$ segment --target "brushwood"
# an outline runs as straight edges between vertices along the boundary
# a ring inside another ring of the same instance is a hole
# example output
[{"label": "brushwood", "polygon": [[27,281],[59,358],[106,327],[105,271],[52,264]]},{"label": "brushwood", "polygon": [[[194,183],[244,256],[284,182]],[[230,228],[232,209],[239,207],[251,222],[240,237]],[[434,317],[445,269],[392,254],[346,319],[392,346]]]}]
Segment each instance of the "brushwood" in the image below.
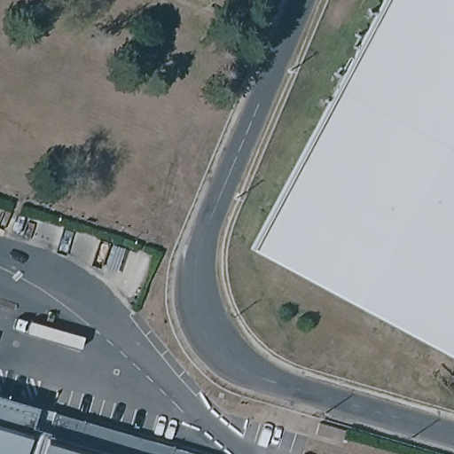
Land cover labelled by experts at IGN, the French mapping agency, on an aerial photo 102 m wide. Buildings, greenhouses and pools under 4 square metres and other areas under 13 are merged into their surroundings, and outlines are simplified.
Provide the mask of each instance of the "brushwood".
[{"label": "brushwood", "polygon": [[364,443],[395,454],[433,454],[426,450],[413,449],[403,443],[376,438],[362,431],[346,431],[346,440],[349,442]]},{"label": "brushwood", "polygon": [[59,216],[46,215],[28,206],[21,209],[23,216],[28,222],[43,220],[62,227],[64,231],[85,232],[113,247],[124,248],[129,252],[145,252],[149,255],[149,268],[145,273],[144,282],[138,294],[131,300],[131,307],[135,310],[142,310],[144,307],[154,277],[158,275],[161,261],[165,257],[154,248],[147,248],[151,241],[135,238],[135,241],[129,241],[110,232],[92,231],[87,225],[62,220]]}]

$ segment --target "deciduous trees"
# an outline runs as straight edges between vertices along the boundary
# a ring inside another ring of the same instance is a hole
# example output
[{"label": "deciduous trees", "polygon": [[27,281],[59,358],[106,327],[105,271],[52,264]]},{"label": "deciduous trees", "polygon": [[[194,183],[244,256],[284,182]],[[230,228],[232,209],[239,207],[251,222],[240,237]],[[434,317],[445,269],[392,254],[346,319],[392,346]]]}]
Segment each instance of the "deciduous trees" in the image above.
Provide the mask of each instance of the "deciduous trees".
[{"label": "deciduous trees", "polygon": [[296,305],[296,303],[284,303],[284,307],[280,309],[280,317],[278,317],[278,319],[282,319],[282,321],[291,321],[291,319],[293,319],[293,316],[296,316],[296,314],[298,314],[298,305]]},{"label": "deciduous trees", "polygon": [[112,4],[106,0],[46,0],[48,9],[55,5],[64,7],[64,12],[57,21],[69,30],[87,27],[89,20],[96,18],[99,9],[108,11]]},{"label": "deciduous trees", "polygon": [[20,48],[32,46],[48,35],[44,30],[35,27],[34,21],[20,20],[7,9],[4,32],[12,44]]},{"label": "deciduous trees", "polygon": [[225,74],[216,73],[207,80],[206,87],[202,89],[207,103],[215,105],[218,110],[231,110],[239,98],[229,87],[220,87],[220,82],[225,82],[227,78]]},{"label": "deciduous trees", "polygon": [[50,202],[57,202],[66,199],[69,192],[80,199],[90,197],[101,200],[108,195],[103,190],[103,184],[92,179],[89,170],[80,167],[78,161],[73,160],[71,156],[67,156],[64,161],[64,184],[55,183],[55,179],[50,177],[50,158],[44,154],[27,174],[28,183],[34,188],[37,199],[46,197]]},{"label": "deciduous trees", "polygon": [[227,25],[227,4],[223,4],[213,5],[215,16],[200,44],[209,46],[216,43],[216,53],[229,51],[236,60],[259,64],[264,60],[264,43],[259,41],[255,30],[239,34],[241,28]]},{"label": "deciduous trees", "polygon": [[250,5],[252,20],[261,27],[266,27],[266,12],[271,11],[268,0],[254,0]]},{"label": "deciduous trees", "polygon": [[133,39],[126,41],[119,50],[113,51],[110,55],[106,62],[110,71],[108,80],[121,92],[140,90],[149,96],[161,96],[167,94],[172,85],[154,74],[151,76],[140,73],[137,66],[138,48],[142,44],[158,46],[163,43],[163,28],[160,21],[153,21],[149,16],[145,16],[142,20],[131,21],[128,30]]}]

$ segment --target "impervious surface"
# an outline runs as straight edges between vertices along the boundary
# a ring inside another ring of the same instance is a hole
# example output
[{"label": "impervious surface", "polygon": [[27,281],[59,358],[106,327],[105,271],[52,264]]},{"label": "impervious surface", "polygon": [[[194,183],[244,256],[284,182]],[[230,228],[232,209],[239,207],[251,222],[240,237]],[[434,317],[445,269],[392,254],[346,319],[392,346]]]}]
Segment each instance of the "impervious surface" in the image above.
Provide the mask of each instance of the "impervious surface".
[{"label": "impervious surface", "polygon": [[243,420],[236,415],[227,415],[227,419],[222,419],[220,406],[213,404],[215,395],[199,392],[195,381],[188,374],[184,374],[176,360],[163,348],[158,337],[149,330],[144,319],[135,314],[135,310],[131,307],[131,300],[138,294],[144,282],[145,273],[149,268],[149,255],[145,252],[129,252],[124,248],[113,247],[85,232],[64,231],[62,227],[43,220],[28,222],[23,216],[12,218],[12,213],[0,209],[0,397],[46,410],[50,422],[53,422],[55,415],[59,413],[71,419],[85,420],[96,426],[133,434],[149,442],[188,450],[193,454],[346,454],[346,443],[349,442],[346,440],[346,431],[362,431],[376,438],[403,443],[413,449],[426,450],[433,454],[454,454],[454,411],[443,406],[434,408],[427,404],[406,401],[403,397],[395,397],[392,392],[369,387],[360,381],[346,380],[333,374],[321,374],[310,371],[309,367],[300,367],[289,362],[284,356],[278,355],[277,351],[268,348],[257,333],[252,332],[245,317],[239,312],[238,303],[232,294],[229,280],[229,245],[234,223],[245,200],[243,195],[259,170],[262,156],[268,149],[273,131],[277,128],[278,119],[300,71],[300,64],[309,53],[310,44],[330,0],[305,0],[305,16],[300,20],[300,27],[278,44],[273,66],[268,71],[261,71],[257,82],[250,80],[247,92],[239,98],[231,110],[223,124],[222,133],[216,140],[213,154],[204,168],[204,174],[200,177],[199,188],[184,218],[183,229],[174,241],[176,247],[188,247],[186,255],[181,257],[177,264],[177,316],[183,326],[184,335],[192,344],[195,353],[225,380],[266,394],[296,397],[300,403],[291,404],[291,408],[268,403],[266,408],[262,408],[261,413],[257,413],[257,417]]}]

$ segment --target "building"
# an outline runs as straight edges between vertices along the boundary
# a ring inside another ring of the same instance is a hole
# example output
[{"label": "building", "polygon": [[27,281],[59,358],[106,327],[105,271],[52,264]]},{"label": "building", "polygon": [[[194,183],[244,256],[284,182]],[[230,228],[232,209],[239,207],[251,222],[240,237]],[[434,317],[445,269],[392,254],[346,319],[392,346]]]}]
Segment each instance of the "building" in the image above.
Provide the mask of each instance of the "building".
[{"label": "building", "polygon": [[316,128],[303,147],[284,188],[278,193],[270,213],[262,223],[261,231],[252,245],[252,252],[270,259],[286,270],[293,271],[312,284],[323,287],[328,293],[339,296],[358,309],[369,312],[371,316],[378,317],[388,325],[395,326],[397,330],[408,333],[427,346],[454,358],[454,0],[383,0],[380,11],[376,12],[371,27],[364,35],[364,41],[356,48],[353,59],[349,60],[346,74],[342,74],[337,87],[333,90],[332,99],[326,103]]},{"label": "building", "polygon": [[55,415],[53,422],[50,422],[46,410],[0,397],[0,454],[193,454],[188,450],[149,442],[133,434],[96,426],[85,420],[71,419],[59,413]]}]

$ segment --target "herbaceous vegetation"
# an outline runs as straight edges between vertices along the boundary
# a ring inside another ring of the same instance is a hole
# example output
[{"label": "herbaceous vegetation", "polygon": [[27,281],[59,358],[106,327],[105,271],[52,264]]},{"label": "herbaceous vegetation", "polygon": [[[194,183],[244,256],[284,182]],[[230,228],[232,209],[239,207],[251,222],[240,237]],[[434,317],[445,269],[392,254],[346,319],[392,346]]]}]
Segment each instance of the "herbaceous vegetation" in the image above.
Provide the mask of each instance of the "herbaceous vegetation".
[{"label": "herbaceous vegetation", "polygon": [[[266,27],[261,27],[252,20],[250,5],[254,0],[106,0],[112,4],[108,11],[99,9],[96,18],[89,20],[87,27],[69,30],[57,21],[64,12],[64,7],[55,5],[48,9],[46,0],[0,0],[0,209],[12,213],[12,218],[23,216],[21,209],[28,206],[46,215],[59,216],[62,220],[87,225],[92,231],[110,232],[129,241],[135,241],[135,238],[151,241],[147,248],[154,248],[165,257],[161,261],[158,275],[154,277],[144,307],[142,310],[135,310],[135,314],[144,319],[149,330],[158,337],[163,348],[176,360],[184,374],[188,374],[195,381],[199,392],[215,395],[213,404],[220,406],[222,419],[227,419],[227,415],[236,415],[243,420],[257,417],[257,413],[261,413],[262,408],[266,408],[268,403],[291,408],[291,404],[300,403],[296,397],[266,394],[225,380],[195,353],[192,344],[184,335],[183,326],[177,316],[177,264],[181,257],[186,255],[188,247],[176,247],[174,241],[183,229],[184,218],[199,188],[200,177],[204,174],[204,168],[213,154],[216,140],[222,133],[223,124],[231,110],[218,110],[215,105],[207,103],[202,89],[206,87],[207,80],[216,73],[225,74],[227,78],[225,82],[220,82],[220,87],[229,87],[239,98],[247,92],[250,80],[257,82],[261,71],[268,71],[273,66],[278,44],[300,27],[300,20],[305,16],[305,0],[268,0],[271,11],[266,12]],[[241,28],[239,34],[255,30],[259,41],[264,43],[264,60],[259,64],[236,60],[229,51],[216,53],[216,43],[209,46],[200,44],[215,16],[213,5],[223,4],[227,4],[227,25]],[[32,46],[20,48],[12,44],[4,32],[7,9],[20,20],[34,21],[35,27],[44,30],[48,35]],[[154,74],[172,85],[167,94],[161,96],[149,96],[140,90],[121,92],[108,80],[110,71],[106,62],[110,55],[113,51],[119,50],[126,41],[133,39],[128,30],[131,21],[142,20],[145,16],[149,16],[153,21],[160,21],[163,28],[163,43],[158,46],[142,44],[138,48],[137,66],[140,73],[151,76]],[[34,188],[28,183],[27,174],[44,154],[50,158],[50,177],[55,179],[55,183],[64,184],[64,161],[67,156],[71,156],[73,160],[78,161],[80,167],[89,170],[92,179],[103,184],[103,190],[108,195],[101,200],[90,197],[80,199],[69,192],[66,199],[57,202],[50,202],[46,197],[37,199]]]},{"label": "herbaceous vegetation", "polygon": [[346,443],[346,454],[395,454],[364,443],[349,442]]},{"label": "herbaceous vegetation", "polygon": [[[270,259],[252,252],[252,245],[261,231],[262,223],[270,213],[278,193],[284,188],[303,147],[316,128],[326,103],[332,99],[333,90],[337,87],[342,74],[346,74],[349,60],[353,59],[356,48],[364,41],[364,35],[371,27],[376,12],[380,11],[383,0],[330,0],[310,44],[309,53],[300,64],[300,71],[278,119],[277,128],[273,131],[268,149],[262,156],[259,170],[243,195],[245,200],[234,223],[229,245],[229,280],[232,294],[238,303],[239,312],[245,317],[252,332],[257,333],[268,348],[277,351],[278,355],[284,356],[289,362],[300,367],[309,367],[310,371],[321,374],[333,374],[346,380],[360,381],[369,387],[392,392],[395,397],[403,397],[406,401],[427,404],[434,408],[443,406],[454,411],[454,358],[427,346],[408,333],[397,330],[395,326],[388,325],[378,317],[371,316],[369,312],[358,309],[339,296],[328,293],[323,287],[312,284],[293,271],[286,270]],[[293,316],[293,319],[291,319],[291,321],[282,321],[282,319],[278,319],[278,317],[280,317],[280,309],[284,307],[284,303],[296,303],[296,305],[298,305],[298,314],[296,314],[296,316]]]}]

